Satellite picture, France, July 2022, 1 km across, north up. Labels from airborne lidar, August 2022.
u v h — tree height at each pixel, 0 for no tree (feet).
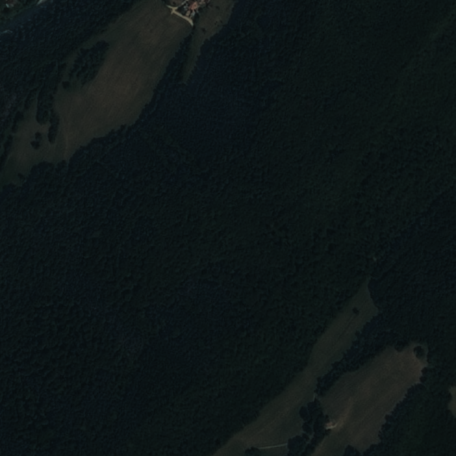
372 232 62
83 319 93
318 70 40
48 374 74
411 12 46
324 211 50
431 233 83
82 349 89
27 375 83
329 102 63
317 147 72
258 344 62
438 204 69
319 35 30
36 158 0
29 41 108
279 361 49
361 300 0
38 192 87
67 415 97
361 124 62
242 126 70
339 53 36
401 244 91
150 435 45
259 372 67
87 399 81
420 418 29
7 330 89
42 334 96
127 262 82
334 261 62
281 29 100
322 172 53
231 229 55
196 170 36
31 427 88
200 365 50
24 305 90
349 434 0
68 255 80
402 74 54
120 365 87
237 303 80
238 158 96
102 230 71
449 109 63
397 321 76
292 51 87
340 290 48
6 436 86
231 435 50
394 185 51
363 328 0
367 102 58
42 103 45
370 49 36
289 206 65
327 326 52
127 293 80
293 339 64
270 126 72
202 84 89
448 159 67
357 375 0
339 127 67
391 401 0
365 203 59
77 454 62
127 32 0
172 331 88
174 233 72
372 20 29
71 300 104
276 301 83
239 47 74
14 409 99
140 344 67
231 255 72
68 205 77
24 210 84
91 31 77
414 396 54
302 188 49
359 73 29
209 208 60
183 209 58
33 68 56
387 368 0
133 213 69
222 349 72
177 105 102
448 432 34
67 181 64
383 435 48
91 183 79
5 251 69
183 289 85
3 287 83
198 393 24
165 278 61
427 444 31
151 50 0
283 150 70
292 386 0
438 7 40
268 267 61
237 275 99
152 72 0
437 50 70
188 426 53
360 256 79
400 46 41
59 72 52
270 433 0
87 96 0
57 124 29
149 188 88
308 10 78
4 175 0
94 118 0
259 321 65
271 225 88
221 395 53
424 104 59
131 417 96
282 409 0
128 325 91
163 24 0
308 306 55
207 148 78
